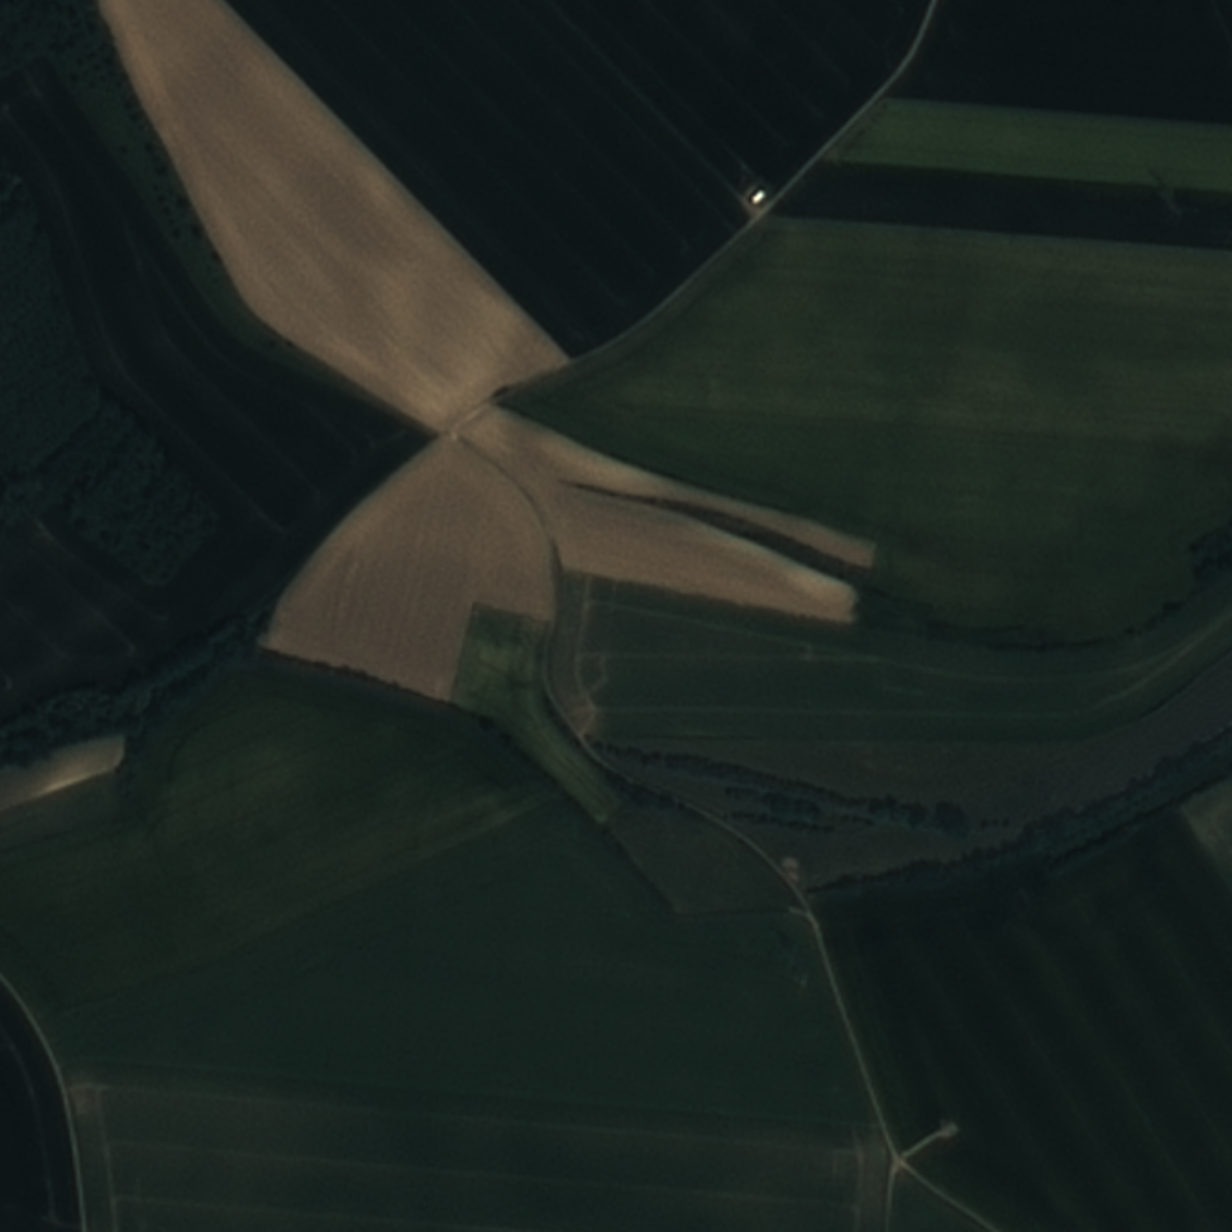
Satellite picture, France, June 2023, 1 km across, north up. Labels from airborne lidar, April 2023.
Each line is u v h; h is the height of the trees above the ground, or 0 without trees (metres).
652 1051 0
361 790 0
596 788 0
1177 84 0
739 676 0
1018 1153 0
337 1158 0
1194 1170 0
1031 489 0
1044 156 0
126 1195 0
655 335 0
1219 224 0
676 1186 0
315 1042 0
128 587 0
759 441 0
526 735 0
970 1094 0
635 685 0
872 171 0
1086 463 0
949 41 0
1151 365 0
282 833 0
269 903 0
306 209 0
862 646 0
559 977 0
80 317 0
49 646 0
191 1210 0
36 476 20
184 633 0
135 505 19
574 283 0
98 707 9
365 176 0
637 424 0
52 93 0
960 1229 0
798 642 0
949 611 0
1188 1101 0
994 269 0
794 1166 0
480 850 0
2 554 0
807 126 0
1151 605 0
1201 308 0
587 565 0
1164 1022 0
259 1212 0
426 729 0
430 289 0
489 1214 0
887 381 0
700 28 0
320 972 0
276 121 0
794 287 0
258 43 0
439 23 0
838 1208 0
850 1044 0
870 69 0
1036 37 0
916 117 0
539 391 0
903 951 0
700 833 0
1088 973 0
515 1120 0
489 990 0
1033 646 5
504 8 0
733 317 0
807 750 0
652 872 0
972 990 0
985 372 0
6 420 21
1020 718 0
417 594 0
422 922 0
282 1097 0
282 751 0
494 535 0
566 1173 0
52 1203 0
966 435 0
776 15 0
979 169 0
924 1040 0
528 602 0
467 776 0
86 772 0
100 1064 0
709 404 0
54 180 0
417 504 0
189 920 0
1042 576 0
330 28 0
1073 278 0
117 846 0
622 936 0
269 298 0
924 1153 0
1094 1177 0
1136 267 0
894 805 12
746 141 0
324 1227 0
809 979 0
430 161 0
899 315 0
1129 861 0
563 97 0
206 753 0
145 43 0
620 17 0
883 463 0
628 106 0
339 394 0
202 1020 0
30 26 13
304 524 0
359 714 0
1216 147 0
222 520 0
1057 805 0
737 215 0
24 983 0
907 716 0
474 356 0
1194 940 0
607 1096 0
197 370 0
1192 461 0
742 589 0
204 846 0
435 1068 0
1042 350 0
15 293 21
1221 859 0
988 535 0
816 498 0
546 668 0
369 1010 0
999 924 0
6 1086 0
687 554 0
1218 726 0
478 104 0
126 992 0
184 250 0
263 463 0
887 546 0
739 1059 0
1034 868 0
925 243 0
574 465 0
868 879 6
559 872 0
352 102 0
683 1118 0
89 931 0
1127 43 0
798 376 0
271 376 0
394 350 0
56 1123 0
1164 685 0
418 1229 0
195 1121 0
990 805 0
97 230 0
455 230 0
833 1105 0
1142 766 0
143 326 0
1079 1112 0
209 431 0
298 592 0
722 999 0
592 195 0
